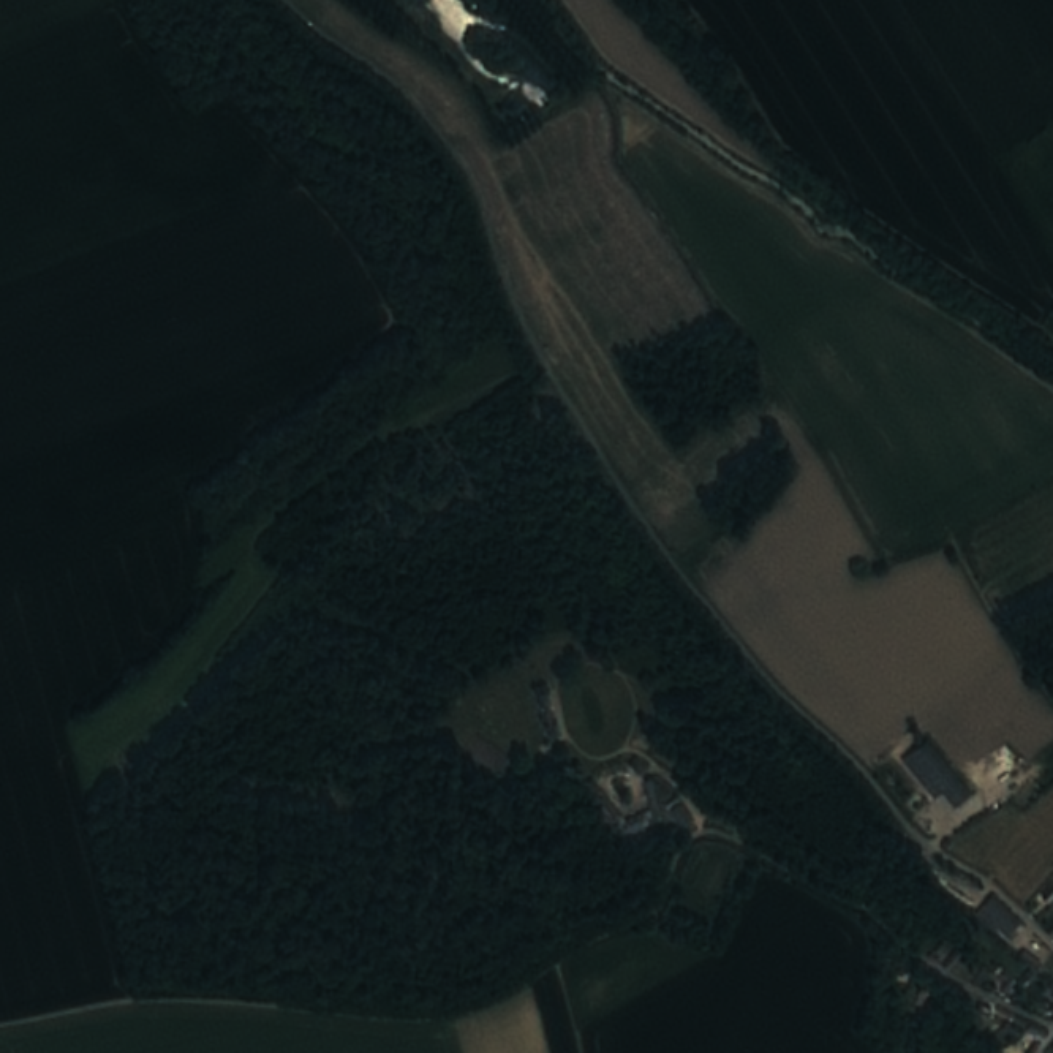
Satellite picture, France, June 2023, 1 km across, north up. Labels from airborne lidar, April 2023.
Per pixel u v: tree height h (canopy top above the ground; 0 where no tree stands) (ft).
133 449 0
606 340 0
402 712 40
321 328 0
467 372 0
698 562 0
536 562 26
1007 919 0
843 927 0
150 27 34
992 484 0
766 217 0
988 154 0
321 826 87
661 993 0
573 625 69
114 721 0
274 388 0
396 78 0
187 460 0
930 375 0
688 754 83
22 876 0
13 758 0
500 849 38
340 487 20
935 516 0
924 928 81
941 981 58
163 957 78
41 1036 0
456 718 0
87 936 0
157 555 0
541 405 37
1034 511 0
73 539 0
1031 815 0
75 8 0
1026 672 32
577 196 0
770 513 0
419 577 19
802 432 0
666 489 0
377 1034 0
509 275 0
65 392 0
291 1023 0
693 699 71
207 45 57
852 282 0
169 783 57
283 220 0
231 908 93
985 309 30
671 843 36
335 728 32
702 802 77
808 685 0
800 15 0
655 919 29
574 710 0
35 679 0
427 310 90
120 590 0
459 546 38
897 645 0
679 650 52
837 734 0
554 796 88
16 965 0
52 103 0
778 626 0
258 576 0
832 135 0
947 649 0
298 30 30
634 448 0
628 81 27
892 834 71
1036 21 0
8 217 0
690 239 0
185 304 0
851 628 0
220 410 0
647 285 0
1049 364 64
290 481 64
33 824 0
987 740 0
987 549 0
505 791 77
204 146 0
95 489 0
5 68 0
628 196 0
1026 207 0
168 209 0
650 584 49
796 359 0
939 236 0
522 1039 0
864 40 0
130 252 0
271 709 35
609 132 0
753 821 52
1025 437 0
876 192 0
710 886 0
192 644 0
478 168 0
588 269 0
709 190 0
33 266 0
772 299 0
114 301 0
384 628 57
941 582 0
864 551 0
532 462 93
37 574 0
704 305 0
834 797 53
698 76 85
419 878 88
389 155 93
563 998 0
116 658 0
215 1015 0
